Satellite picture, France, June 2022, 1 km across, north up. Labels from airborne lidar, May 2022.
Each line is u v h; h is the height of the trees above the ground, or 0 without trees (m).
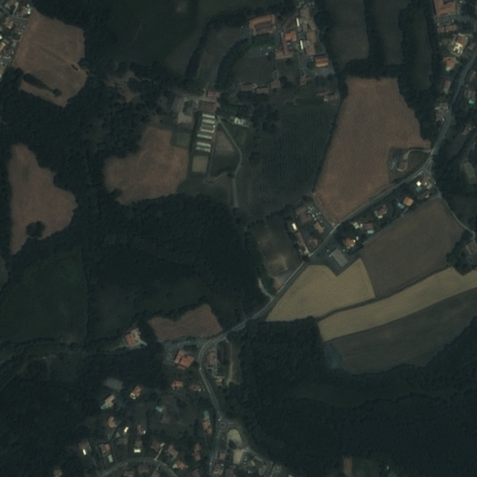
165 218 21
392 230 0
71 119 22
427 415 22
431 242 0
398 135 0
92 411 11
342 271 0
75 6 27
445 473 26
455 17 0
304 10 0
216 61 0
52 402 23
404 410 21
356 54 0
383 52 14
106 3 23
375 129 0
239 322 9
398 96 0
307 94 0
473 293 0
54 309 0
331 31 13
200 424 18
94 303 13
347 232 17
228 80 22
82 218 26
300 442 16
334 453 17
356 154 0
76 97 14
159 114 15
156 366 19
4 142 27
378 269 0
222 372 11
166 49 0
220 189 0
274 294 20
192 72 20
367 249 0
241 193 0
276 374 19
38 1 17
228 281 18
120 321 0
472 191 15
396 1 0
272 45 20
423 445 27
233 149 0
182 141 0
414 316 0
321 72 0
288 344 17
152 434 7
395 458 30
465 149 7
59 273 0
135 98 0
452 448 28
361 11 0
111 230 20
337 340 0
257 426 27
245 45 21
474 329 16
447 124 0
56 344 22
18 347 25
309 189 0
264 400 23
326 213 0
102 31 19
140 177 0
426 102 24
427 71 0
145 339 8
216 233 17
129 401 6
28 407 24
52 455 17
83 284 0
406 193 15
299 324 21
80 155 25
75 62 0
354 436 30
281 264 0
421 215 0
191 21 0
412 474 26
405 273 0
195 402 10
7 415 19
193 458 10
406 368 18
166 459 10
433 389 14
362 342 0
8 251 21
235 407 29
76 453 23
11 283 13
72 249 26
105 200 15
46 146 26
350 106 0
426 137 12
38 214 0
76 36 0
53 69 0
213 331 0
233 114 6
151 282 6
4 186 23
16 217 0
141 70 14
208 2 0
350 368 0
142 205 9
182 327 0
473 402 16
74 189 24
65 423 22
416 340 0
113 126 17
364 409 19
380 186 0
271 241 0
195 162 0
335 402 0
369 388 22
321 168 7
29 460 22
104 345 25
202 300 11
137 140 15
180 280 10
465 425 25
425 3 21
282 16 14
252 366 18
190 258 29
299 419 17
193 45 0
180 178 0
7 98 17
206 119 0
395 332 0
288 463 11
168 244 16
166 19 0
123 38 0
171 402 0
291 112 0
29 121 26
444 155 17
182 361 0
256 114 12
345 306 0
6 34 8
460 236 0
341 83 9
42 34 0
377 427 30
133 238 26
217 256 18
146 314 14
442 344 0
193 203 11
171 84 21
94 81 25
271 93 0
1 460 24
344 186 0
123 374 22
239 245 15
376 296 0
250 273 17
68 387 9
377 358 0
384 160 0
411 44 16
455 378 22
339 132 0
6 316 0
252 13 10
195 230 13
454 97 7
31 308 0
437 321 0
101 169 17
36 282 0
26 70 0
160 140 0
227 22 16
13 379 11
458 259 14
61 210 0
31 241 16
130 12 0
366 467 0
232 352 0
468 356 19
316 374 20
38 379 7
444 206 0
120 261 16
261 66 0
